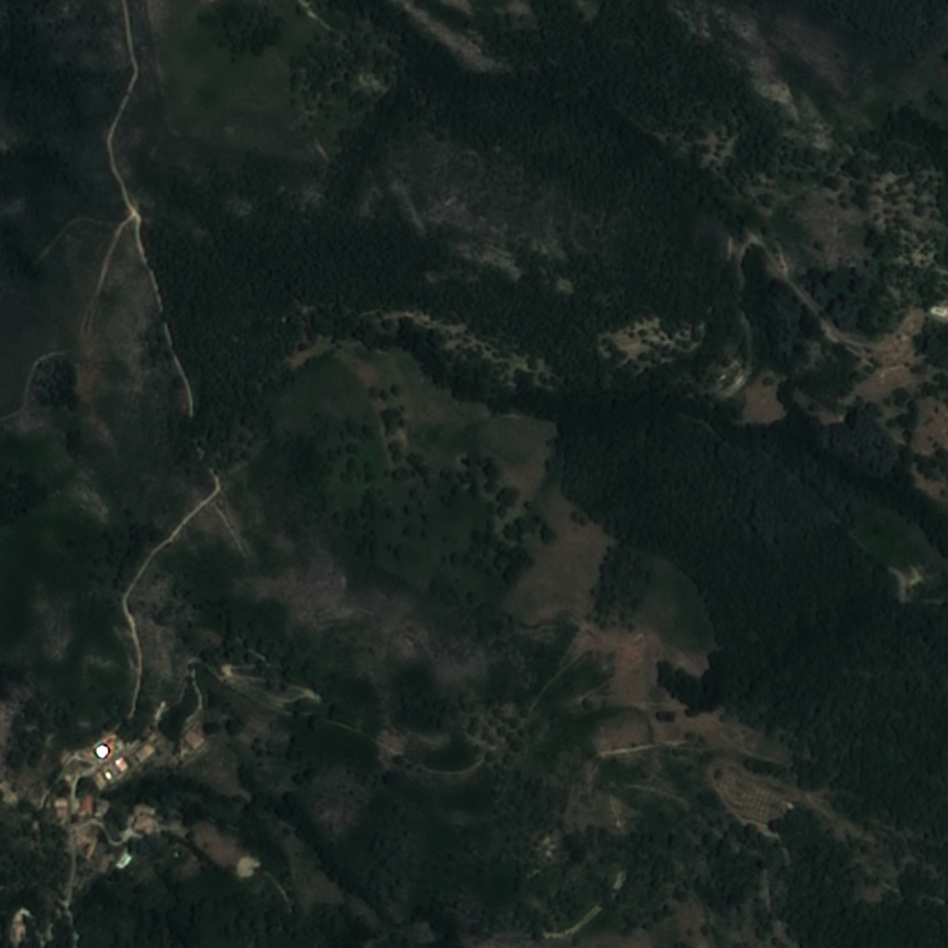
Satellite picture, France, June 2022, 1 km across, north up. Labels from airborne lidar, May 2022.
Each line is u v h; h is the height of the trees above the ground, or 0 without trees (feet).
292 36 0
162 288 34
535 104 53
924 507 73
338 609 0
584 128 47
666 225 25
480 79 64
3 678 44
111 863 23
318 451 28
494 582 0
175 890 21
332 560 0
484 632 26
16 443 0
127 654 0
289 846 0
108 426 0
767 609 52
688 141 31
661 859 41
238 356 35
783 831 44
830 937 34
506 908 0
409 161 0
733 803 0
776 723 38
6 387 0
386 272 48
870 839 0
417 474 31
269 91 0
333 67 47
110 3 0
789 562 68
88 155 0
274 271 54
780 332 65
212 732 38
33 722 37
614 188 38
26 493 52
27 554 0
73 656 0
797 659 71
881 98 0
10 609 0
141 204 0
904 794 36
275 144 0
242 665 31
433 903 24
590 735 0
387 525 0
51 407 37
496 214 0
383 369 0
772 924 28
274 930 53
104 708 25
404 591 0
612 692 0
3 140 0
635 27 29
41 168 30
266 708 0
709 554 31
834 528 51
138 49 0
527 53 47
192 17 0
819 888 18
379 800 0
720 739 0
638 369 48
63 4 0
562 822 31
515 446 0
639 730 0
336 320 54
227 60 0
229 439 38
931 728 33
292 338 36
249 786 41
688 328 31
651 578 37
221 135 0
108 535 39
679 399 64
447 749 0
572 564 0
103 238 0
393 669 0
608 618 24
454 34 0
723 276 39
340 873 64
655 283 38
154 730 31
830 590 56
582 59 57
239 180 23
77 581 0
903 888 26
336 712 47
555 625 0
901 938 38
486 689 0
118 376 0
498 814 23
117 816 28
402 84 30
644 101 45
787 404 36
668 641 0
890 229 26
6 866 27
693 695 56
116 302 0
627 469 28
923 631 46
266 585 0
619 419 53
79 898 23
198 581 0
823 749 30
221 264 36
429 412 0
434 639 0
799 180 25
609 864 29
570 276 35
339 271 52
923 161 36
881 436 99
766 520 73
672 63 83
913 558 0
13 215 0
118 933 28
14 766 33
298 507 30
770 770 43
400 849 40
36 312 0
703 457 26
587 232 25
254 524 0
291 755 35
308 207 21
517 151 31
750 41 0
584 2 0
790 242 0
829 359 33
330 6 31
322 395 0
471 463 40
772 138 34
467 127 49
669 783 0
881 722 40
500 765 32
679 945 29
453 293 29
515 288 34
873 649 44
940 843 32
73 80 23
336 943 30
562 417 70
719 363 24
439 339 54
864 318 43
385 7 59
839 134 23
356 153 34
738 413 42
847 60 0
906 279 32
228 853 0
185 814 44
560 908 23
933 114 0
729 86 33
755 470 68
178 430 42
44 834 34
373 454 0
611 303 37
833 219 0
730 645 49
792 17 0
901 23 57
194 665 22
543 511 0
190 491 0
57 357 0
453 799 0
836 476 78
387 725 0
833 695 32
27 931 31
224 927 45
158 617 26
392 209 0
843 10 52
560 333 50
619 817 0
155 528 35
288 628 0
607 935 0
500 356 35
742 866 26
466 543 0
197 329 52
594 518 21
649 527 26
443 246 28
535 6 42
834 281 62
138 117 0
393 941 27
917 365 23
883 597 51
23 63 38
